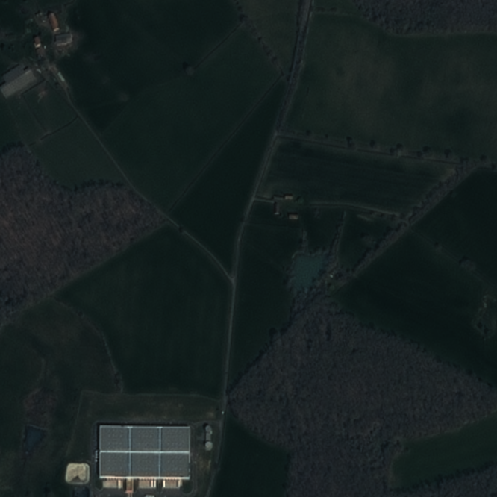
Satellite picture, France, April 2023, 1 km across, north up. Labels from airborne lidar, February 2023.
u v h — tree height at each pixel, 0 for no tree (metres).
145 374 0
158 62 0
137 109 0
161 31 0
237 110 0
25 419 0
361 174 0
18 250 22
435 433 20
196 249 0
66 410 0
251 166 0
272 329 0
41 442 0
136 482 0
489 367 0
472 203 0
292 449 19
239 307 0
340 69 0
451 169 0
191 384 0
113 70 0
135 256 0
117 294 0
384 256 0
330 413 22
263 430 21
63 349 0
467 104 0
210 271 0
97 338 0
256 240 0
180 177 0
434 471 0
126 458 0
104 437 0
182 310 0
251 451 0
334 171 0
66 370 0
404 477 0
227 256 0
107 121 0
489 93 0
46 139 0
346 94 0
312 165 0
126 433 0
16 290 22
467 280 0
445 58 0
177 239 0
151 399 0
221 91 0
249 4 0
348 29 0
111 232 22
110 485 0
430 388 19
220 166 0
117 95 0
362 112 0
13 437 0
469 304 0
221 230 0
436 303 0
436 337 0
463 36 0
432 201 16
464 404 27
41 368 0
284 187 0
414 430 22
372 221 0
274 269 0
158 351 0
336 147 0
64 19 0
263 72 0
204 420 0
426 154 15
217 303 0
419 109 0
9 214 23
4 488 0
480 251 0
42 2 0
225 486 0
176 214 0
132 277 0
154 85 0
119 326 0
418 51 0
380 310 0
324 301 24
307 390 24
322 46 0
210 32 0
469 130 0
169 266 0
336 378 24
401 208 0
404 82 0
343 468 24
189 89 0
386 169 0
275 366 20
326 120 0
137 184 0
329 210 0
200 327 0
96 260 20
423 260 0
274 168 0
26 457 0
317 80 0
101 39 0
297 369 25
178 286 0
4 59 0
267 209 0
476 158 0
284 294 0
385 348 21
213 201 0
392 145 0
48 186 18
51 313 0
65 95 0
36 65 0
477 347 0
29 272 24
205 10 0
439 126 0
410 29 11
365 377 21
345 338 24
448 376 21
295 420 23
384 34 0
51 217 25
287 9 0
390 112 0
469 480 22
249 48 0
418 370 21
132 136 0
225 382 0
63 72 0
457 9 13
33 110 0
